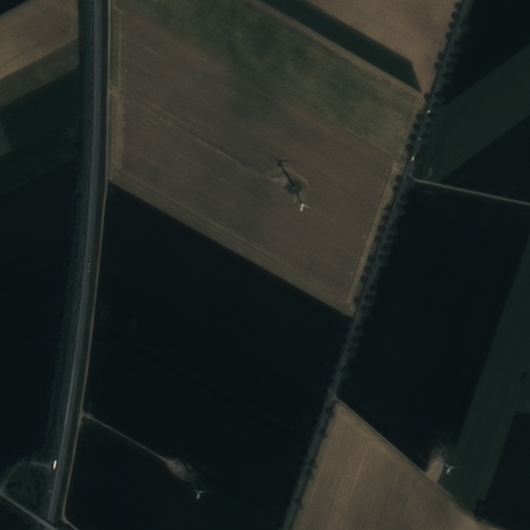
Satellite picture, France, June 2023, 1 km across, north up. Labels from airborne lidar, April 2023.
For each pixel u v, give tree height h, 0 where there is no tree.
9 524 0
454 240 0
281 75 0
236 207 0
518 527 0
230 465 0
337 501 0
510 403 0
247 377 0
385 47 0
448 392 0
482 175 0
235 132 0
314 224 0
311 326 0
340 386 0
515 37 0
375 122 0
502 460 0
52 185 0
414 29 0
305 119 0
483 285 0
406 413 0
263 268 0
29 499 0
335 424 0
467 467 0
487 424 0
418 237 0
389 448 0
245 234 0
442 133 0
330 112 0
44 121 0
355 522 0
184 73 0
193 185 0
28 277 0
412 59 0
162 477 0
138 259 0
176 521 0
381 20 0
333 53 0
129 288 0
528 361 0
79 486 0
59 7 0
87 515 0
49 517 0
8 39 0
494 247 0
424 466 0
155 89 0
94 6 0
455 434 0
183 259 0
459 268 0
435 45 0
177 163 0
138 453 0
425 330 0
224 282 0
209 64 0
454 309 0
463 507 0
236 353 0
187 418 0
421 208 0
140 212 0
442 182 0
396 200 0
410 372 0
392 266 0
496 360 0
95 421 0
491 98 0
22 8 0
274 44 0
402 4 0
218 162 0
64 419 0
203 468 0
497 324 0
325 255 0
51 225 0
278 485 0
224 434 0
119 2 0
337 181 0
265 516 0
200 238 0
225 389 0
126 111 0
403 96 0
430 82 0
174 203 0
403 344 0
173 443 0
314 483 0
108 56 0
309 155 0
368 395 0
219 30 0
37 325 0
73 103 0
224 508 0
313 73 0
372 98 0
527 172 0
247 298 0
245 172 0
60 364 11
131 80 0
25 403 0
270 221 0
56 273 0
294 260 0
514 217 0
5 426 0
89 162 0
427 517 0
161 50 0
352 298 0
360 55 0
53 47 0
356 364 0
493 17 0
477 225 0
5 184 0
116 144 0
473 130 0
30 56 0
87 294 0
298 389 0
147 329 0
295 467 0
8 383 0
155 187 0
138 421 0
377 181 0
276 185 0
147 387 0
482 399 0
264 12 0
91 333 0
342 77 0
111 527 0
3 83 0
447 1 0
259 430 0
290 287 0
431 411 0
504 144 0
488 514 0
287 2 0
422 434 0
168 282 0
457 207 0
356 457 0
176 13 0
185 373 0
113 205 0
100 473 0
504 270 0
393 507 0
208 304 0
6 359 0
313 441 0
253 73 0
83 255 0
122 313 0
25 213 0
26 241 0
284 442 0
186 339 0
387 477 0
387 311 0
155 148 0
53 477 0
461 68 0
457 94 0
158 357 0
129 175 0
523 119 0
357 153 0
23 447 0
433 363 0
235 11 0
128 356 0
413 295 0
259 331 0
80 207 9
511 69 0
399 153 0
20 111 0
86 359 0
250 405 0
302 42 0
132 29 0
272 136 0
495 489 0
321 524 0
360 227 0
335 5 0
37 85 0
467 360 0
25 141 0
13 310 0
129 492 0
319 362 0
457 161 0
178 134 0
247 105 0
